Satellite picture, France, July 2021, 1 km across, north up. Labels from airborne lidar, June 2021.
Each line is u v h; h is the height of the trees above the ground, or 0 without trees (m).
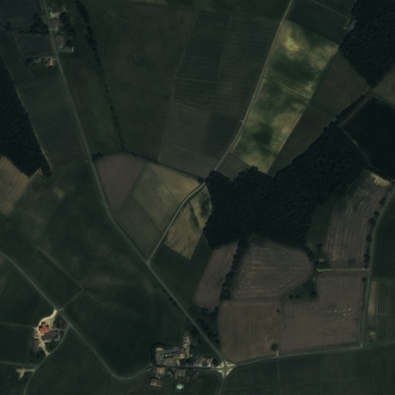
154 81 0
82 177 0
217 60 0
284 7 0
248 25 0
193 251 0
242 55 0
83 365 0
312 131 0
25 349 0
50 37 0
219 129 0
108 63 0
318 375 0
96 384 0
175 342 0
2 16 0
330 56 0
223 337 0
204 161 0
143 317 0
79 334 0
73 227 0
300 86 0
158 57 0
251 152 0
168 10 0
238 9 0
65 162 0
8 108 19
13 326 0
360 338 0
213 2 0
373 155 0
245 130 0
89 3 0
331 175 23
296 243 20
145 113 0
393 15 25
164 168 0
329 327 0
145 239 0
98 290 0
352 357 0
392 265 0
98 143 0
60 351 0
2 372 0
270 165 0
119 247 0
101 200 0
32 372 0
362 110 0
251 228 20
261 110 0
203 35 0
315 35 0
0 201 0
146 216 0
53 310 0
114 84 0
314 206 22
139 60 0
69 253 0
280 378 0
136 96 0
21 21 0
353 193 0
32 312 0
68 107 0
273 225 25
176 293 0
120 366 0
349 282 0
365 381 0
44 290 0
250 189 18
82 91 0
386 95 0
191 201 0
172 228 0
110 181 0
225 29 0
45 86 0
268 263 0
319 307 0
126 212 0
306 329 0
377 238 0
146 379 0
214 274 0
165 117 0
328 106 0
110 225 0
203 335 0
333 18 0
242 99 0
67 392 0
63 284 0
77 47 0
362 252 0
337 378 0
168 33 0
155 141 0
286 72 0
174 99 0
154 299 0
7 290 0
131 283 0
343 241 0
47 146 0
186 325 0
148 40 0
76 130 0
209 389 0
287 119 0
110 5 0
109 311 0
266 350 0
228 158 0
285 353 0
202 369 0
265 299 0
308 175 21
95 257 0
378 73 26
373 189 0
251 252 0
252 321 0
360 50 23
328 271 0
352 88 0
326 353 0
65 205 0
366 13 15
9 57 0
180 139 0
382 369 0
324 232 0
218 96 0
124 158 0
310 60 0
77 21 0
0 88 19
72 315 0
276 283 0
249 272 0
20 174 0
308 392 0
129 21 0
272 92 0
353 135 0
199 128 0
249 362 0
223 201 19
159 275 0
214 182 17
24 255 0
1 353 0
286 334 0
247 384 0
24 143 20
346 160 24
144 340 0
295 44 0
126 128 0
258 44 0
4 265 0
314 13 0
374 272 0
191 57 0
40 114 0
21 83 0
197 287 0
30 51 0
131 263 0
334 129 12
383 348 0
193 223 0
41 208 0
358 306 0
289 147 0
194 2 0
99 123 0
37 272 0
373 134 0
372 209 0
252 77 0
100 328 0
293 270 0
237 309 0
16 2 0
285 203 16
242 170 0
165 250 0
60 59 0
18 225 0
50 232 0
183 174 0
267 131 0
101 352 0
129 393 0
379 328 0
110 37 0
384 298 0
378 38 24
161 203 0
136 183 0
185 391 0
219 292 0
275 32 0
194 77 0
